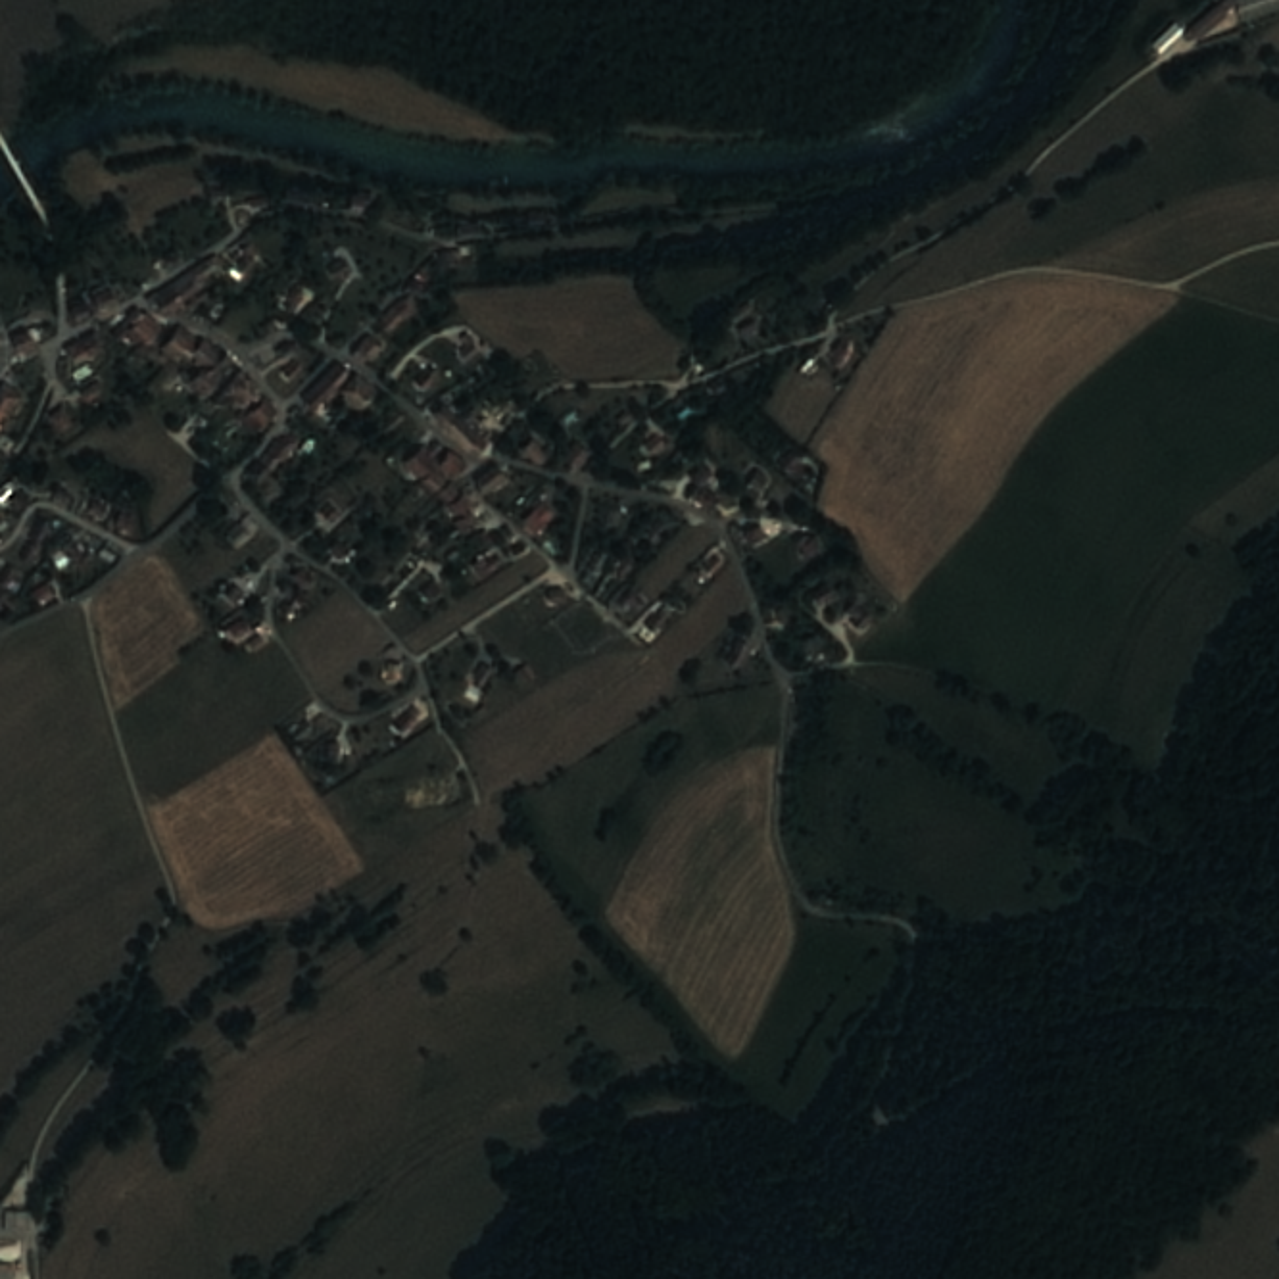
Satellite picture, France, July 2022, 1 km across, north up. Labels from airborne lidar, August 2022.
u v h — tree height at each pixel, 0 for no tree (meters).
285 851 0
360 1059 0
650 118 14
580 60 17
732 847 0
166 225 7
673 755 11
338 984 0
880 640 0
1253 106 0
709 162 0
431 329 9
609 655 0
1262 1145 0
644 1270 25
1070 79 19
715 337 20
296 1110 0
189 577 0
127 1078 20
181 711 0
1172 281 0
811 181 10
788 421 0
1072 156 0
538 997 0
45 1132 0
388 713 0
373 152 0
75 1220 0
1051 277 0
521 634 0
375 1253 0
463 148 6
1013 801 21
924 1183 24
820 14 18
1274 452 0
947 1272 25
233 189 11
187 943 0
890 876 0
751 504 12
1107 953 27
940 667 0
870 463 0
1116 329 0
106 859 0
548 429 9
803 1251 27
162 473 0
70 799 0
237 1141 0
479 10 13
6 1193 0
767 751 0
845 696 0
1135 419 0
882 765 7
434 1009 0
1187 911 30
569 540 7
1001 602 0
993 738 0
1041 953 18
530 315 0
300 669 0
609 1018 0
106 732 0
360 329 0
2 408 0
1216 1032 23
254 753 0
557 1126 21
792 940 0
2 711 0
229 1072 0
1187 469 0
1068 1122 19
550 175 0
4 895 0
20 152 0
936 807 0
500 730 0
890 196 25
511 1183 18
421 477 0
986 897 0
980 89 0
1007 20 0
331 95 0
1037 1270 14
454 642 0
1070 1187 15
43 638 0
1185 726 15
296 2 10
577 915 11
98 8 0
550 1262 27
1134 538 0
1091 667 0
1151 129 0
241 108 0
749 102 9
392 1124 0
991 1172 24
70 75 14
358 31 14
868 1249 14
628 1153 9
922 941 8
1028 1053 21
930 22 14
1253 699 23
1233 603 0
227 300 7
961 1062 22
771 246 26
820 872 0
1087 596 0
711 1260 29
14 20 0
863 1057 16
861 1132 15
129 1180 0
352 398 0
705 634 0
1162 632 0
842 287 11
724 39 15
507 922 0
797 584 8
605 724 0
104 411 7
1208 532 0
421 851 0
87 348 0
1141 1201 17
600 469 11
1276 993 20
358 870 0
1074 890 16
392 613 0
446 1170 0
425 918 0
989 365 0
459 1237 0
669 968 0
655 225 7
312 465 13
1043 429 0
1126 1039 21
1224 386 0
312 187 21
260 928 10
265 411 0
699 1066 11
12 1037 0
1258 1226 0
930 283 0
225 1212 0
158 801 0
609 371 0
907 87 11
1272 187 0
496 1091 0
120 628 0
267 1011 0
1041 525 0
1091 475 0
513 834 14
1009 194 11
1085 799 18
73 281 8
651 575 0
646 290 17
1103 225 0
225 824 0
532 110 15
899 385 0
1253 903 33
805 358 7
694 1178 23
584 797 0
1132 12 16
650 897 0
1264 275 0
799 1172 18
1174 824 27
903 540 0
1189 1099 13
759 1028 0
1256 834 23
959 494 0
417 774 0
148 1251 0
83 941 0
